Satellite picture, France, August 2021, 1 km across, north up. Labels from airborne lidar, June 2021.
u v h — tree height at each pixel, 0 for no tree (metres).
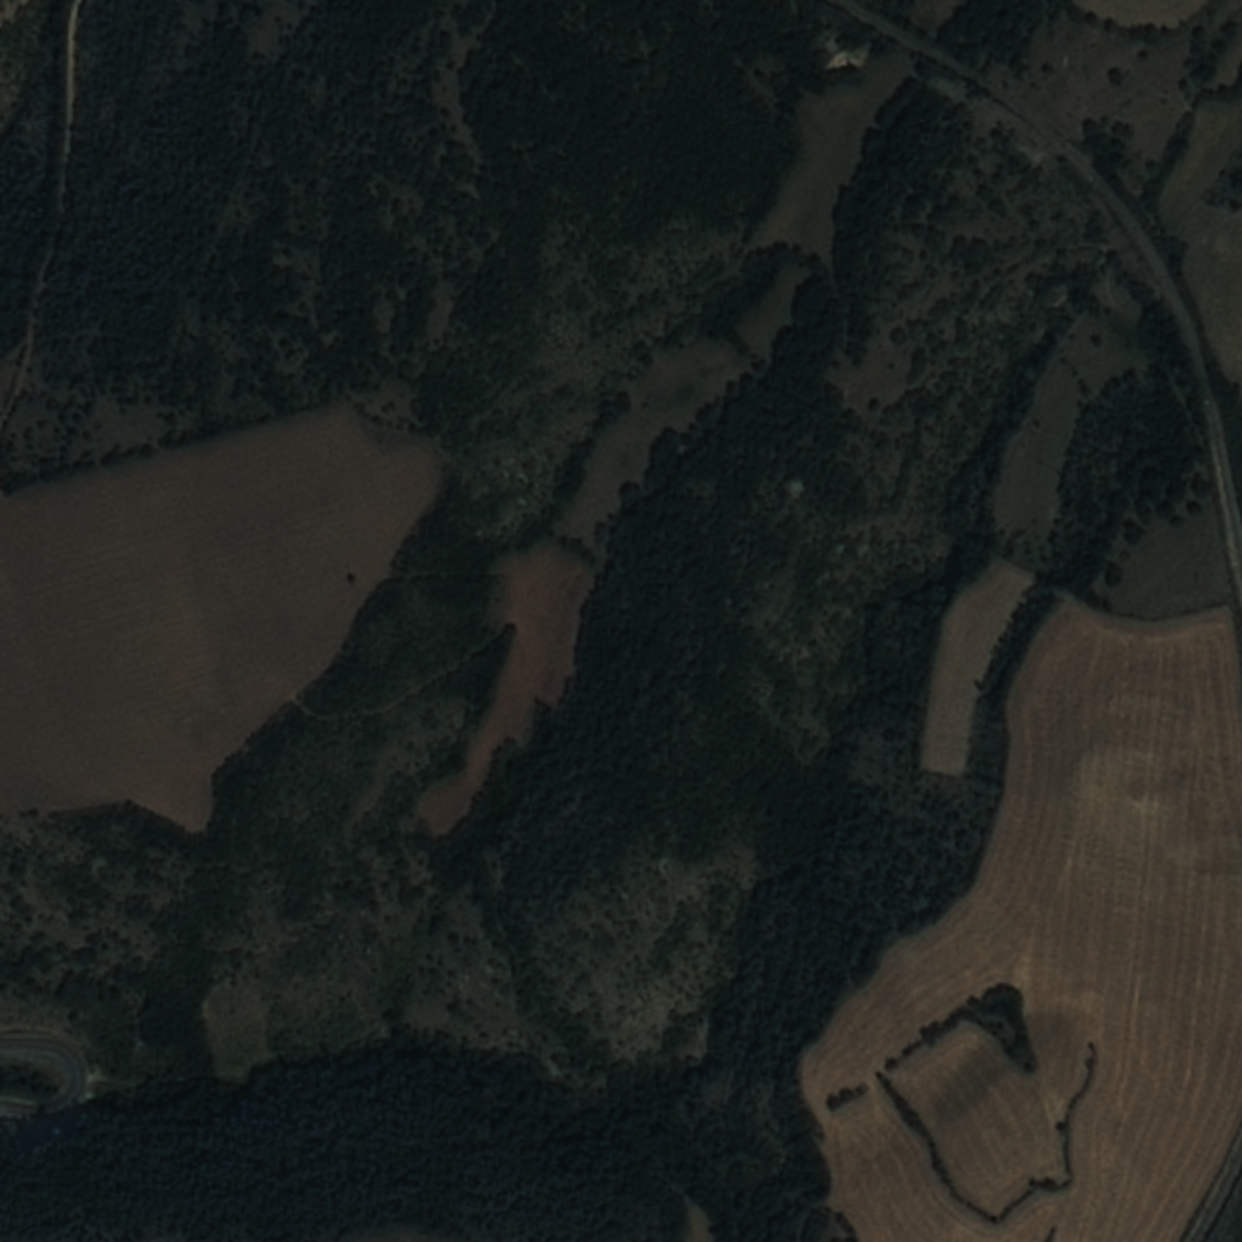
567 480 10
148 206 7
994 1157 0
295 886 7
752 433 6
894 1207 0
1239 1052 0
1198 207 0
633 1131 10
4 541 0
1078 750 0
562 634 0
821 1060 0
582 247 9
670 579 6
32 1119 0
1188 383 10
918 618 8
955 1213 0
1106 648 0
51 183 7
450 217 6
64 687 0
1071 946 0
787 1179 11
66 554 0
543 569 0
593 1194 10
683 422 0
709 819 9
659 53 10
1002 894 0
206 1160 8
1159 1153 0
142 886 7
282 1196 9
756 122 11
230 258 8
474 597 6
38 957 11
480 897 10
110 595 0
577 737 7
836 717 8
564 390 6
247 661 0
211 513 0
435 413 9
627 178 8
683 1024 9
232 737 0
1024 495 0
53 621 0
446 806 0
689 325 8
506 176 10
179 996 9
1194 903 0
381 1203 9
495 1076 16
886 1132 0
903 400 6
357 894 11
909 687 9
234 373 6
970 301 6
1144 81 0
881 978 0
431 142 6
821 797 10
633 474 0
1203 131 0
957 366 9
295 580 0
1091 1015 0
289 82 7
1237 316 0
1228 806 0
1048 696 0
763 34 15
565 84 12
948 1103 0
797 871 12
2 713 0
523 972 7
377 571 0
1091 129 12
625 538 6
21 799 0
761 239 0
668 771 5
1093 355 0
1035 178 8
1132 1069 0
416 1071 16
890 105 8
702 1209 11
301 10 6
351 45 9
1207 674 0
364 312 8
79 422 6
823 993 8
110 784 0
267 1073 14
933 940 0
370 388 7
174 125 8
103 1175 8
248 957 8
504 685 0
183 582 0
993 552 8
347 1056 14
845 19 6
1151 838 0
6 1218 8
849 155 0
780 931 9
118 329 7
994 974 0
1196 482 7
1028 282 7
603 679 9
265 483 0
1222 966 0
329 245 6
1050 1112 0
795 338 13
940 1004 0
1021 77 7
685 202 10
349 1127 15
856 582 7
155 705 0
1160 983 0
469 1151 9
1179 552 0
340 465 0
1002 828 0
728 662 7
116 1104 8
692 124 9
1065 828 0
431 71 7
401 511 0
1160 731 0
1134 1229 0
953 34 10
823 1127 0
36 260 8
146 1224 8
